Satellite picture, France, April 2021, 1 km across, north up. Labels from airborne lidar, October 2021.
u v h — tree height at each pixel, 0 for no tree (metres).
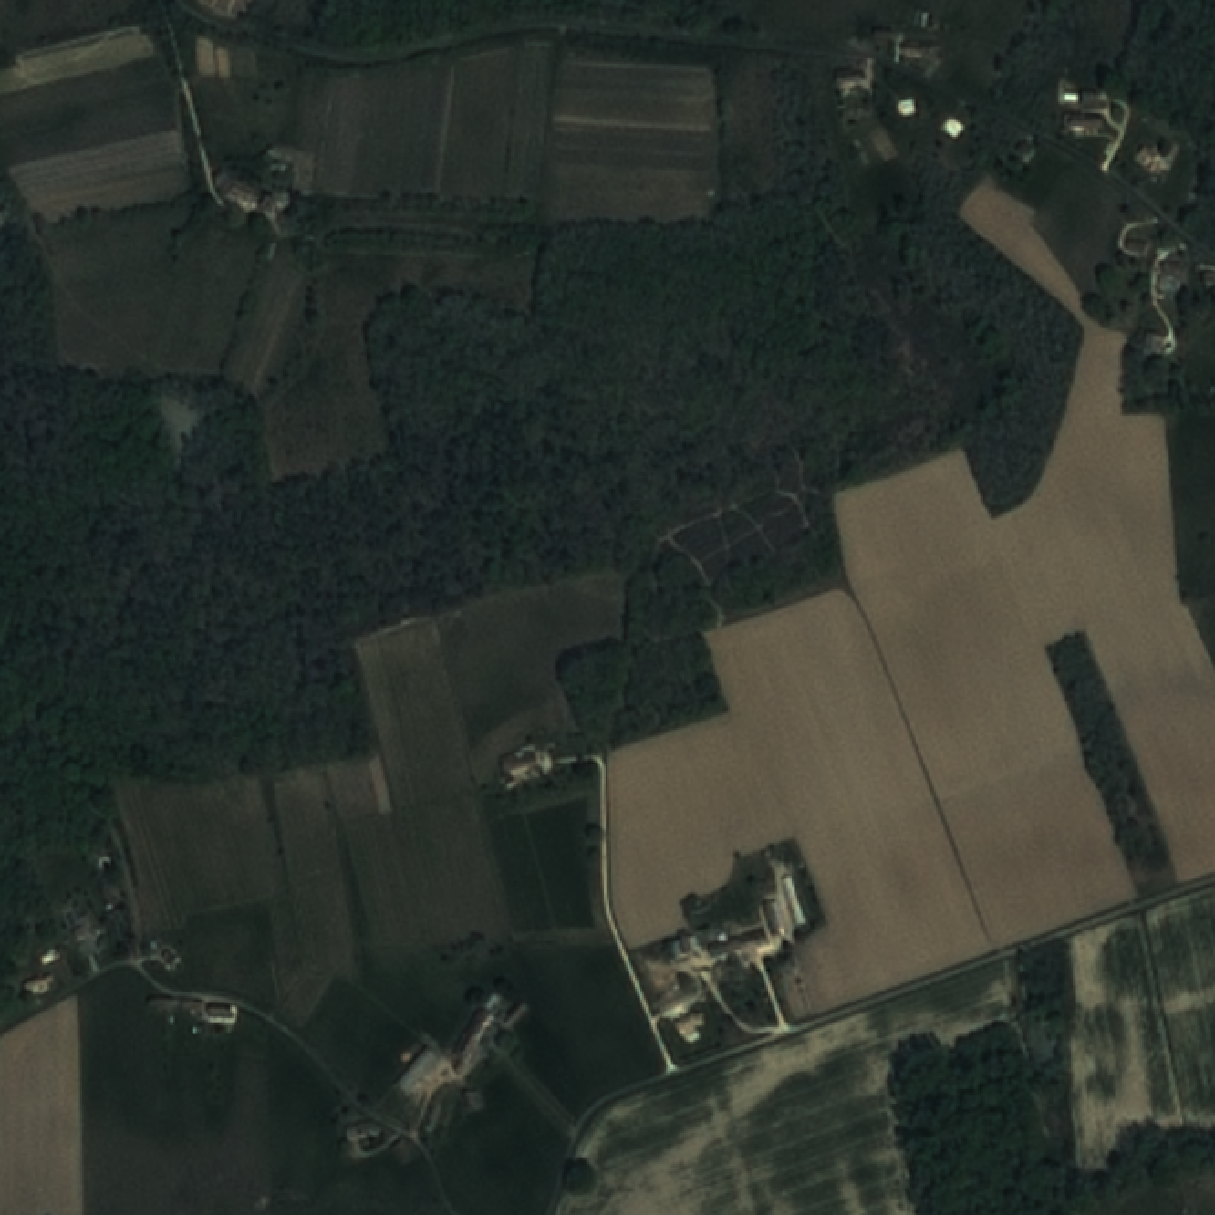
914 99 0
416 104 0
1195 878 0
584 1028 0
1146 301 10
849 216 13
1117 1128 0
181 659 16
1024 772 0
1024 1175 19
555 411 24
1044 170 0
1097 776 15
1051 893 0
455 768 0
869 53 0
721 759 0
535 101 0
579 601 0
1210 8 18
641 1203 0
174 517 13
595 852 8
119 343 0
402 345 15
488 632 0
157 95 0
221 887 0
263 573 22
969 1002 0
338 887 0
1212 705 0
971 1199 17
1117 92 18
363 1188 0
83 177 0
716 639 0
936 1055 23
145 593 14
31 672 25
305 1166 0
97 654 14
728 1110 0
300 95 0
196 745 14
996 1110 12
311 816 0
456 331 22
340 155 0
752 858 0
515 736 0
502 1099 0
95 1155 0
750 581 14
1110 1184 16
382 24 17
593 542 20
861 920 0
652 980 0
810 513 9
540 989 0
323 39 14
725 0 18
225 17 0
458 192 0
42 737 18
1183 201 0
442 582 16
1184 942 0
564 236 13
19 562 26
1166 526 0
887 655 0
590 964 0
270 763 19
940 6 0
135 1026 0
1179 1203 0
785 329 19
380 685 0
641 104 0
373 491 20
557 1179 0
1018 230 0
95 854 16
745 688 0
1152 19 22
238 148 0
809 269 26
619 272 16
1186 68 19
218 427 17
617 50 6
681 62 0
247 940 0
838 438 11
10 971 20
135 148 0
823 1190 0
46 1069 0
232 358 6
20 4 0
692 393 17
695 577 9
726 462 14
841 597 0
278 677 19
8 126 0
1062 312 13
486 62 0
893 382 13
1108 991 0
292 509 20
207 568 18
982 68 0
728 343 21
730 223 20
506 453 31
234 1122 0
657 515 16
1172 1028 0
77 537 20
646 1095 0
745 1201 0
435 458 21
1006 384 17
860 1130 0
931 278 20
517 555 23
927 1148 26
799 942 8
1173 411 15
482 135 0
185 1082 0
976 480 9
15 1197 0
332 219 0
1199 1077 0
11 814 19
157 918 0
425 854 0
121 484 22
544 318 15
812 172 8
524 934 0
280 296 0
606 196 0
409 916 0
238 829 0
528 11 14
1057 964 14
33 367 13
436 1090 0
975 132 9
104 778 18
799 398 20
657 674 16
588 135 0
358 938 0
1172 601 0
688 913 5
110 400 21
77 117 0
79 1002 0
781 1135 0
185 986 0
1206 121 14
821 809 0
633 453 19
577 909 0
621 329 16
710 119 0
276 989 0
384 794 0
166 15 9
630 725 15
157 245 0
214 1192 0
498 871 0
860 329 14
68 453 18
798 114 6
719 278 21
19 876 21
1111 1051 0
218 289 0
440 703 0
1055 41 10
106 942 7
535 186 0
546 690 0
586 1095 0
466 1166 0
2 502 24
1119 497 0
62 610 17
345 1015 0
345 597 8
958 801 0
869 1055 0
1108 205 0
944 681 0
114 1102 0
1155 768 0
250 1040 0
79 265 0
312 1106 0
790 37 0
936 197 13
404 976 0
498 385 20
